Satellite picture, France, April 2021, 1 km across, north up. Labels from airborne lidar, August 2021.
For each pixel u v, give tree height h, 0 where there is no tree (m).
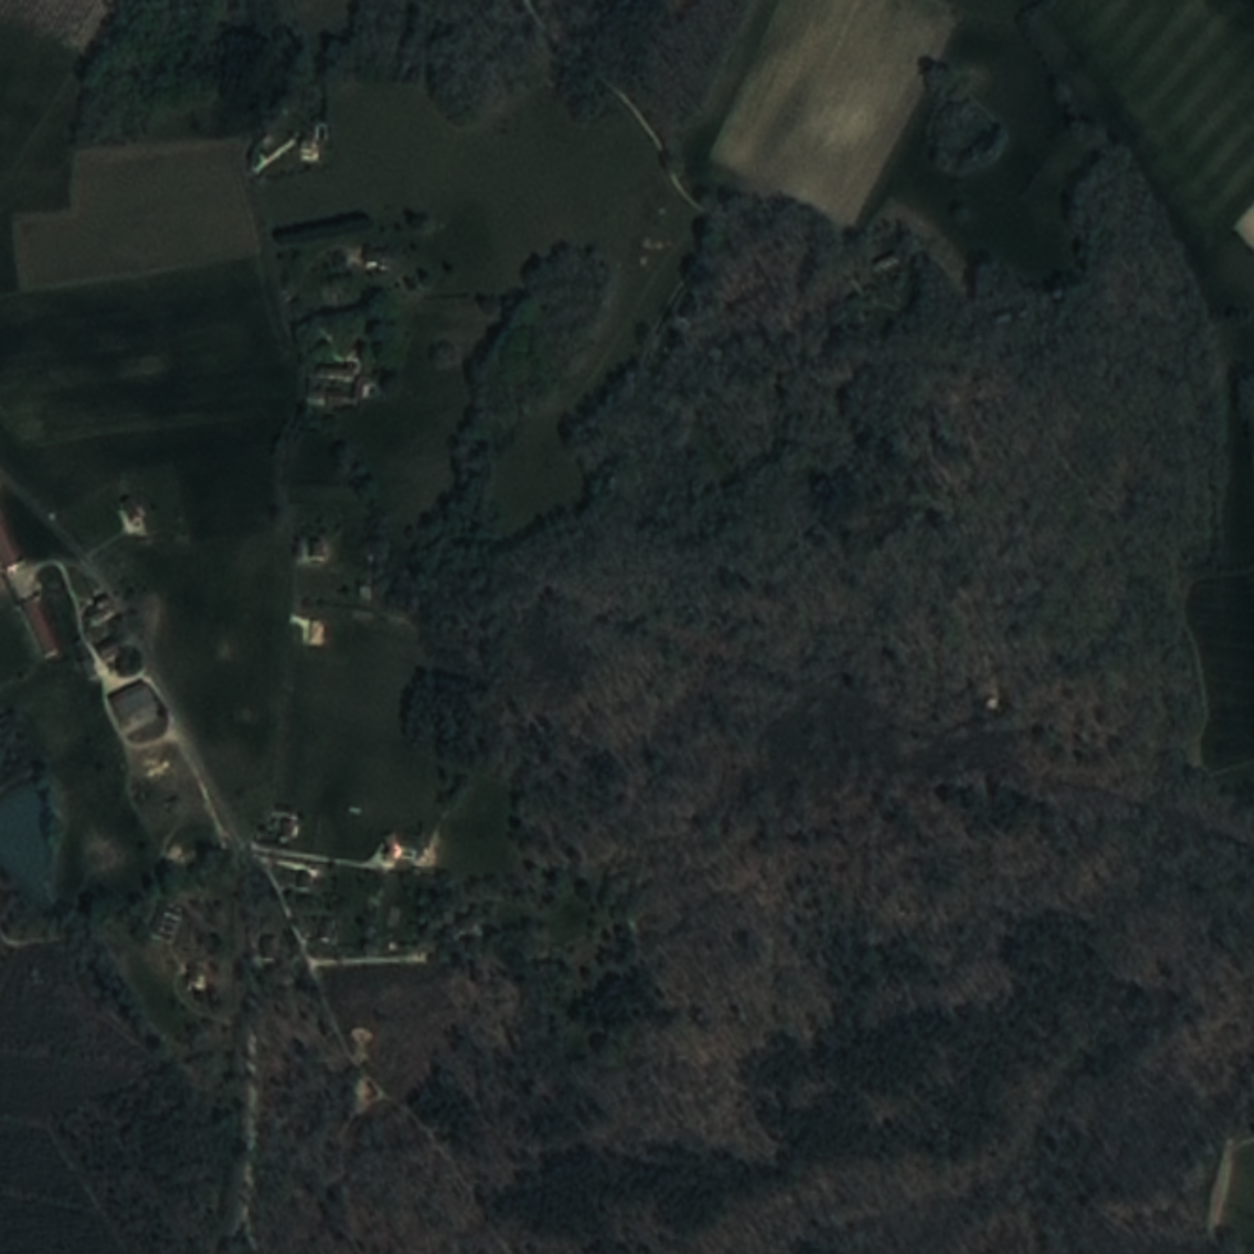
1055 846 28
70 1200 8
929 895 16
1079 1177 11
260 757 0
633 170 0
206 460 0
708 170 0
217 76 19
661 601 11
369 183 0
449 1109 16
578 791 10
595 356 0
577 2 21
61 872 0
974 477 22
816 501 10
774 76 0
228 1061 8
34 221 0
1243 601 0
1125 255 20
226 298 0
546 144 0
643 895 13
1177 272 25
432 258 0
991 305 21
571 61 20
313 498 0
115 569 0
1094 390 24
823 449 9
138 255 0
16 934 17
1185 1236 24
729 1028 16
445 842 0
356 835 0
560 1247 19
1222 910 22
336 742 0
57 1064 7
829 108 0
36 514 0
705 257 18
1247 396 23
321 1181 14
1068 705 16
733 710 7
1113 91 0
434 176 0
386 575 8
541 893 8
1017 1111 22
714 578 12
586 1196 25
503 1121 14
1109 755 10
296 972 14
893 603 17
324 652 0
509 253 0
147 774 0
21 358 0
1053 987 26
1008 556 16
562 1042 16
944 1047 26
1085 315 24
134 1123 10
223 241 0
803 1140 15
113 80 15
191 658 0
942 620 19
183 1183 9
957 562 16
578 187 0
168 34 17
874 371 15
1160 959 23
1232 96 0
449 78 13
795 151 0
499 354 20
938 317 19
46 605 0
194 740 0
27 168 0
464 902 8
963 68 0
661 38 18
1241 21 0
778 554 18
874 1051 25
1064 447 18
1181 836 13
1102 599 25
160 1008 0
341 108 0
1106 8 0
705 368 18
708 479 18
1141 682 25
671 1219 22
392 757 0
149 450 0
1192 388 25
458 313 0
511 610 10
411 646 0
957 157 6
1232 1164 0
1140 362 25
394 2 16
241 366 0
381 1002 0
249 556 0
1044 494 21
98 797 0
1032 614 19
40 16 0
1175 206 0
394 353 13
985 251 0
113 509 0
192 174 0
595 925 7
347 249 0
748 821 15
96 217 0
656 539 24
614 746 13
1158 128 0
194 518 0
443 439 0
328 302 0
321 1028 15
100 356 0
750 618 11
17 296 0
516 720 16
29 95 0
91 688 0
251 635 0
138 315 0
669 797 17
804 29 0
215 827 0
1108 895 25
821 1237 19
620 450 21
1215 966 16
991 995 18
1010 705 16
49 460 0
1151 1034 17
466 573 8
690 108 19
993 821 17
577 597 13
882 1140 19
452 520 18
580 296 21
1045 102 0
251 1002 15
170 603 0
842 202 0
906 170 0
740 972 15
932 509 17
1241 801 9
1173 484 29
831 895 10
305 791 0
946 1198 13
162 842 0
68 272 0
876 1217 18
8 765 9
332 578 0
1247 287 0
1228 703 0
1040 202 0
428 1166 13
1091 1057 15
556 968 12
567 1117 13
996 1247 7
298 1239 15
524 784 14
